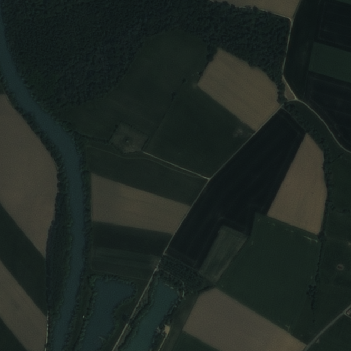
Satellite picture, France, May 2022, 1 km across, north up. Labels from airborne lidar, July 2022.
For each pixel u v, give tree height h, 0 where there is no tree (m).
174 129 0
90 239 11
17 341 0
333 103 0
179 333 0
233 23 27
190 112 0
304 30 0
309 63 0
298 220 0
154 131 0
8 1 14
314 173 0
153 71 0
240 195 0
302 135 0
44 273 0
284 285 0
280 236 0
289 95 0
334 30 0
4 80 15
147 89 0
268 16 23
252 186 0
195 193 0
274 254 0
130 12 15
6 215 0
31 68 18
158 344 14
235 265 0
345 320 0
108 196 0
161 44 0
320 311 0
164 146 0
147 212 0
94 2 15
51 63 19
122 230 0
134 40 20
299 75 0
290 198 0
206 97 0
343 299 0
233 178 0
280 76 19
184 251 0
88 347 0
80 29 16
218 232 0
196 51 0
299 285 0
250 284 0
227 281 0
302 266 0
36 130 17
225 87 0
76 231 0
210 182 0
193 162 0
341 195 0
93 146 0
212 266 0
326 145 16
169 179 0
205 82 0
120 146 0
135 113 0
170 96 0
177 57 0
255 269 0
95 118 0
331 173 9
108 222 0
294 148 0
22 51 14
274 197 0
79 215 0
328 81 0
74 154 0
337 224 0
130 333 9
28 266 0
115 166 0
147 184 0
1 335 0
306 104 0
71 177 0
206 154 0
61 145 0
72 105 20
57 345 0
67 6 22
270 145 0
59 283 32
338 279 0
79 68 23
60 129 0
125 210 0
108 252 0
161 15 27
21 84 0
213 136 0
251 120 0
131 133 0
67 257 16
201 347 0
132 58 22
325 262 0
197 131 0
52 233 29
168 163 0
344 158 0
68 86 22
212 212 0
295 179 0
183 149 0
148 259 0
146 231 0
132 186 0
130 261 0
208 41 25
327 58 0
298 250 0
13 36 16
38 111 0
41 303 0
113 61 28
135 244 0
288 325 0
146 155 0
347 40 0
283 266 0
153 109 0
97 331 0
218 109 0
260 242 0
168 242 0
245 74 0
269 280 0
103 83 26
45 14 21
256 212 0
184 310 0
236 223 0
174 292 0
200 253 0
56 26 18
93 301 19
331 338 0
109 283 0
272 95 0
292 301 0
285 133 0
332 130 0
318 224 0
